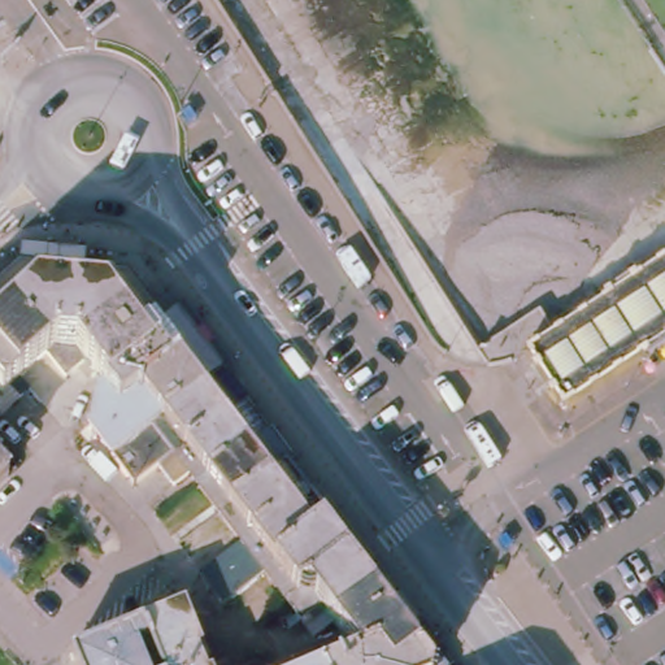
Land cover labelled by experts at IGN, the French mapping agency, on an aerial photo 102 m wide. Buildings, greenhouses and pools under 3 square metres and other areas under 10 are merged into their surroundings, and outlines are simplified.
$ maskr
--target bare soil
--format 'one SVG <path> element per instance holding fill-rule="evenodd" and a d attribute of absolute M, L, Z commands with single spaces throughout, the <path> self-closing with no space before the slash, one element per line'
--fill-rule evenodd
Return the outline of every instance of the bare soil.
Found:
<path fill-rule="evenodd" d="M 423 18 L 426 34 L 431 34 L 436 44 L 436 55 L 457 68 L 457 96 L 470 99 L 470 104 L 486 119 L 488 132 L 475 138 L 457 130 L 434 130 L 416 112 L 408 125 L 403 125 L 395 114 L 392 96 L 361 96 L 364 75 L 345 73 L 338 68 L 340 60 L 325 42 L 320 42 L 322 31 L 314 29 L 314 21 L 304 0 L 247 0 L 244 10 L 249 13 L 262 39 L 273 49 L 281 65 L 281 75 L 291 81 L 291 86 L 299 91 L 301 101 L 327 135 L 333 151 L 351 174 L 379 231 L 392 247 L 403 273 L 408 275 L 413 291 L 418 294 L 421 304 L 426 307 L 431 322 L 444 335 L 449 348 L 470 361 L 481 358 L 483 351 L 478 348 L 478 340 L 470 335 L 470 330 L 455 312 L 452 301 L 431 275 L 429 265 L 423 262 L 423 257 L 418 255 L 397 218 L 390 213 L 382 195 L 361 171 L 361 161 L 366 158 L 379 182 L 392 192 L 392 197 L 413 221 L 418 234 L 442 260 L 462 296 L 473 304 L 488 335 L 499 335 L 501 330 L 520 322 L 535 309 L 546 312 L 538 330 L 548 327 L 556 317 L 566 314 L 587 296 L 597 294 L 626 268 L 647 260 L 660 247 L 665 247 L 665 68 L 660 65 L 655 49 L 647 44 L 634 18 L 629 16 L 629 5 L 623 0 L 418 0 L 416 10 Z"/>

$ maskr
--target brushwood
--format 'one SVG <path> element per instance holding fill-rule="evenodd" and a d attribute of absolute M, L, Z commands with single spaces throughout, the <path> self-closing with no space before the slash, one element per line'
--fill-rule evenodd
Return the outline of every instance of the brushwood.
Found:
<path fill-rule="evenodd" d="M 470 104 L 470 99 L 457 96 L 457 68 L 436 55 L 436 44 L 431 34 L 426 34 L 423 18 L 416 10 L 418 0 L 304 0 L 314 21 L 314 29 L 322 31 L 320 42 L 325 42 L 340 60 L 338 68 L 345 73 L 364 75 L 361 96 L 392 96 L 395 114 L 403 125 L 408 125 L 416 112 L 434 130 L 457 130 L 475 138 L 488 132 L 486 119 Z"/>
<path fill-rule="evenodd" d="M 158 504 L 158 517 L 169 517 L 177 507 L 195 499 L 200 491 L 195 483 L 187 483 L 177 491 Z"/>

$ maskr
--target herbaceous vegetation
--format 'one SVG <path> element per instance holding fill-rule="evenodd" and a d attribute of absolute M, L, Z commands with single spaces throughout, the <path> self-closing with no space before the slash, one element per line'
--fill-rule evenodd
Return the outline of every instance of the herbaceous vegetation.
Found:
<path fill-rule="evenodd" d="M 75 145 L 83 151 L 94 151 L 104 143 L 104 127 L 88 119 L 75 127 Z"/>
<path fill-rule="evenodd" d="M 60 540 L 55 546 L 47 543 L 39 556 L 21 558 L 23 590 L 34 595 L 44 587 L 44 569 L 49 558 L 55 558 L 60 566 L 70 561 L 81 564 L 78 546 L 68 546 L 68 540 Z"/>
<path fill-rule="evenodd" d="M 140 65 L 164 88 L 174 114 L 179 151 L 177 156 L 187 153 L 187 125 L 197 112 L 190 104 L 182 104 L 169 75 L 151 57 L 135 52 L 132 47 L 101 39 L 101 52 L 119 55 L 132 65 Z"/>

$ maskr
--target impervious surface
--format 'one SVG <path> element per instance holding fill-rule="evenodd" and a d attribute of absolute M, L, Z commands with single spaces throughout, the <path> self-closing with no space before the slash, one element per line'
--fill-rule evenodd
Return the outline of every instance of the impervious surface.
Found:
<path fill-rule="evenodd" d="M 665 68 L 665 0 L 623 0 L 629 5 L 629 16 L 634 18 L 647 44 L 655 49 L 660 65 Z"/>
<path fill-rule="evenodd" d="M 68 652 L 78 649 L 75 642 L 86 626 L 94 629 L 135 608 L 153 605 L 156 600 L 177 590 L 190 590 L 195 613 L 203 626 L 203 644 L 208 649 L 208 657 L 216 660 L 216 665 L 281 665 L 312 649 L 320 649 L 335 639 L 327 634 L 327 629 L 309 631 L 299 621 L 296 608 L 281 595 L 278 587 L 273 587 L 268 571 L 252 574 L 244 584 L 239 584 L 236 592 L 229 590 L 218 561 L 210 558 L 210 553 L 203 546 L 231 540 L 234 527 L 223 517 L 223 512 L 200 491 L 195 499 L 177 507 L 169 517 L 158 517 L 158 504 L 177 491 L 164 478 L 156 478 L 145 486 L 127 486 L 119 478 L 109 478 L 114 465 L 104 455 L 91 452 L 88 457 L 83 452 L 86 423 L 78 416 L 73 416 L 73 405 L 83 405 L 86 384 L 81 379 L 62 379 L 44 361 L 36 361 L 8 384 L 0 384 L 0 442 L 10 452 L 10 470 L 5 478 L 0 478 L 0 665 L 65 665 Z M 23 590 L 21 558 L 39 556 L 47 543 L 47 535 L 42 533 L 44 527 L 65 527 L 70 522 L 78 522 L 78 530 L 68 540 L 68 546 L 78 546 L 81 564 L 70 561 L 60 566 L 55 558 L 49 558 L 44 569 L 44 587 L 34 595 Z"/>
<path fill-rule="evenodd" d="M 483 351 L 481 358 L 470 361 L 449 348 L 444 335 L 431 322 L 426 307 L 421 304 L 418 294 L 413 291 L 408 275 L 403 273 L 392 247 L 379 231 L 351 174 L 333 151 L 327 135 L 301 101 L 299 91 L 291 86 L 291 81 L 281 75 L 281 65 L 273 49 L 262 39 L 249 13 L 244 10 L 247 0 L 0 0 L 0 283 L 5 278 L 13 278 L 26 265 L 23 252 L 39 260 L 57 262 L 70 262 L 73 255 L 112 260 L 119 275 L 127 281 L 127 286 L 138 294 L 138 299 L 143 304 L 156 304 L 164 312 L 164 317 L 174 322 L 174 327 L 182 333 L 182 338 L 210 371 L 210 377 L 221 384 L 221 390 L 231 397 L 242 416 L 255 426 L 255 431 L 268 444 L 270 455 L 299 486 L 304 499 L 312 504 L 322 499 L 333 504 L 333 509 L 340 514 L 340 520 L 348 525 L 356 540 L 366 548 L 366 553 L 374 558 L 382 574 L 392 582 L 392 587 L 400 592 L 408 608 L 418 616 L 421 629 L 434 639 L 436 655 L 447 660 L 447 665 L 665 665 L 665 327 L 657 335 L 639 340 L 629 353 L 618 356 L 605 369 L 595 371 L 571 390 L 558 387 L 558 382 L 546 369 L 540 353 L 535 351 L 538 330 L 546 312 L 535 309 L 520 322 L 501 330 L 499 335 L 488 335 L 473 304 L 462 296 L 442 260 L 418 234 L 413 221 L 392 197 L 392 192 L 379 182 L 366 158 L 361 161 L 361 171 L 382 195 L 390 213 L 397 218 L 418 255 L 423 257 L 423 262 L 429 265 L 431 275 L 452 301 L 455 312 L 470 330 L 470 335 L 478 340 L 478 348 Z M 101 39 L 132 47 L 135 52 L 151 57 L 169 75 L 182 104 L 190 104 L 197 112 L 187 125 L 187 153 L 177 156 L 179 151 L 174 114 L 164 88 L 140 65 L 132 65 L 119 55 L 101 52 Z M 94 151 L 83 151 L 75 145 L 75 127 L 88 119 L 104 127 L 104 143 Z"/>

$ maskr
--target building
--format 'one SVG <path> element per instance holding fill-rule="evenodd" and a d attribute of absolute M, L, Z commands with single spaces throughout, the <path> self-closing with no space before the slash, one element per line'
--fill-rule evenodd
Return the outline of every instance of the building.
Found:
<path fill-rule="evenodd" d="M 208 649 L 203 644 L 203 626 L 195 613 L 190 590 L 177 590 L 156 600 L 153 605 L 135 608 L 94 629 L 86 626 L 75 642 L 78 649 L 68 652 L 65 665 L 216 665 L 216 660 L 208 657 Z"/>
<path fill-rule="evenodd" d="M 566 314 L 556 317 L 548 327 L 538 330 L 535 351 L 540 353 L 546 369 L 558 382 L 558 387 L 571 390 L 595 371 L 605 369 L 618 356 L 629 353 L 639 340 L 657 335 L 665 327 L 665 247 L 660 247 L 647 260 L 626 268 L 597 294 L 587 296 Z"/>
<path fill-rule="evenodd" d="M 10 470 L 10 452 L 0 442 L 0 478 L 5 478 Z"/>
<path fill-rule="evenodd" d="M 255 431 L 255 426 L 242 416 L 231 397 L 221 390 L 221 384 L 210 377 L 210 371 L 182 338 L 182 333 L 174 327 L 174 322 L 164 317 L 164 312 L 156 304 L 143 304 L 138 299 L 138 294 L 127 286 L 127 281 L 119 275 L 112 260 L 73 255 L 70 262 L 57 262 L 39 260 L 23 252 L 26 265 L 13 278 L 5 278 L 0 283 L 0 384 L 8 384 L 36 361 L 44 361 L 62 379 L 81 379 L 86 384 L 83 405 L 73 405 L 73 416 L 78 416 L 86 423 L 83 452 L 88 457 L 91 452 L 104 455 L 114 465 L 109 478 L 119 478 L 127 486 L 145 486 L 156 478 L 164 478 L 177 491 L 187 483 L 195 483 L 200 491 L 223 512 L 223 517 L 234 527 L 231 540 L 203 546 L 210 553 L 210 558 L 218 561 L 229 590 L 236 592 L 239 584 L 244 584 L 252 574 L 268 571 L 273 587 L 278 587 L 281 595 L 296 608 L 299 621 L 309 631 L 327 629 L 327 634 L 335 639 L 320 649 L 312 649 L 281 665 L 447 665 L 447 660 L 436 655 L 434 639 L 421 629 L 418 616 L 408 608 L 400 592 L 392 587 L 392 582 L 382 574 L 374 558 L 366 553 L 366 548 L 356 540 L 348 525 L 340 520 L 340 514 L 333 509 L 333 504 L 322 499 L 312 504 L 304 499 L 299 486 L 270 455 L 268 444 Z"/>

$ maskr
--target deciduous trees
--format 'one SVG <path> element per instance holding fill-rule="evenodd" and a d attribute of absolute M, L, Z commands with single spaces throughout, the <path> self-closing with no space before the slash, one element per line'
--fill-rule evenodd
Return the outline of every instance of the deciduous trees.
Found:
<path fill-rule="evenodd" d="M 70 522 L 65 527 L 44 527 L 42 533 L 47 535 L 47 543 L 55 546 L 60 540 L 68 540 L 78 530 L 78 522 Z"/>

